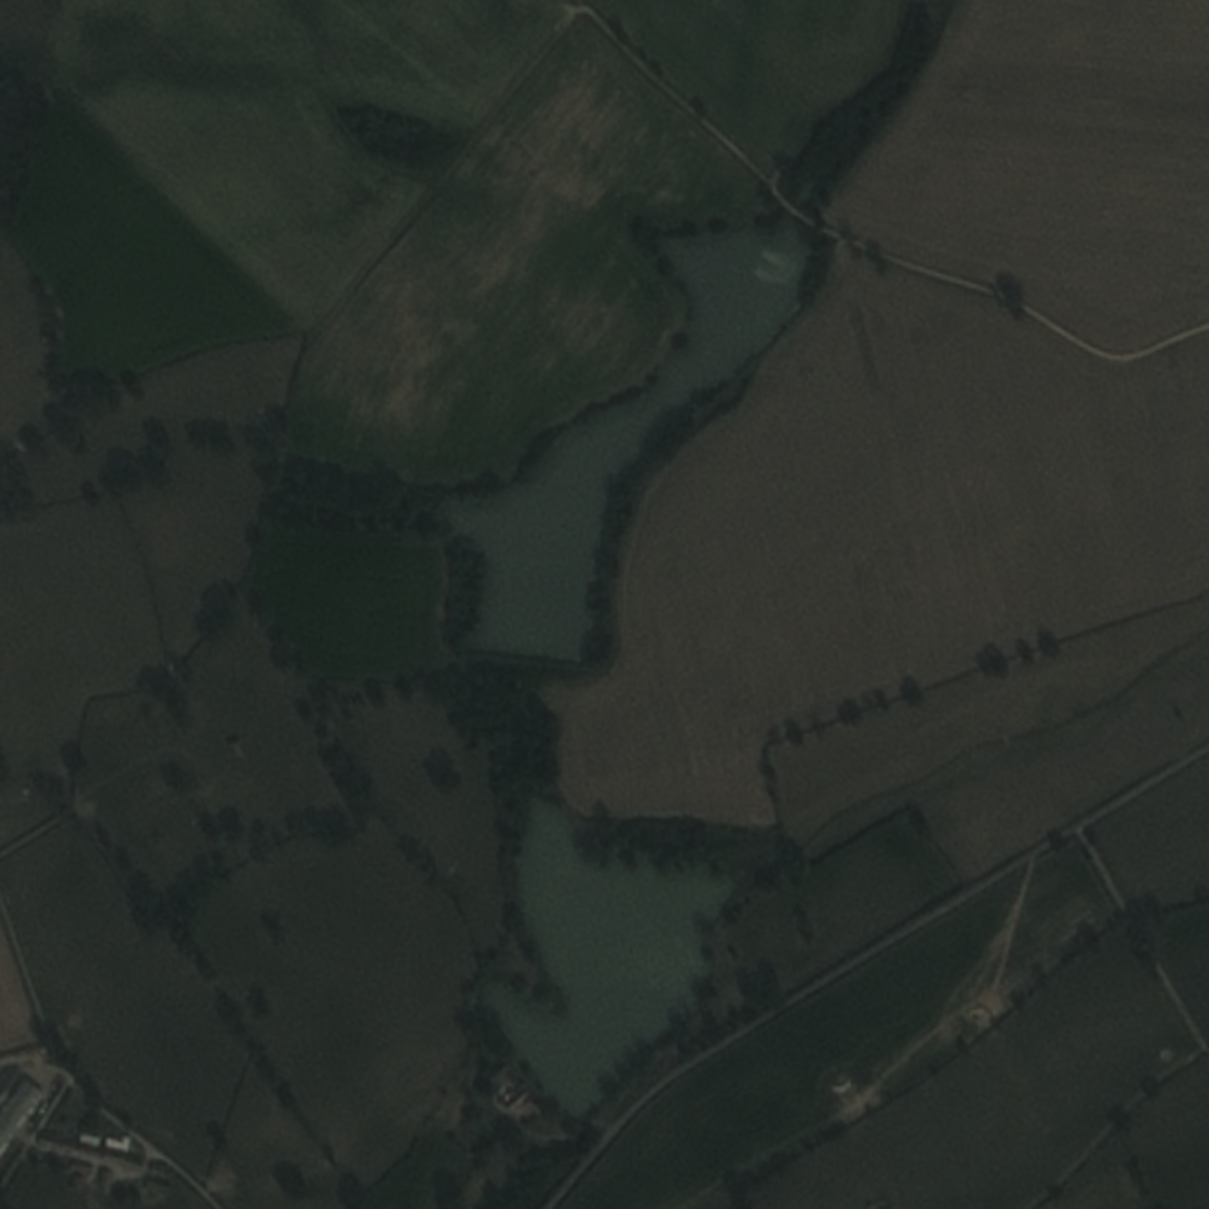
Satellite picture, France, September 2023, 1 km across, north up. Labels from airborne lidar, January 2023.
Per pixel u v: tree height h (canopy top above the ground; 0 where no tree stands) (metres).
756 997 17
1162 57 0
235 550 0
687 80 0
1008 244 0
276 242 0
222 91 0
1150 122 0
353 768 19
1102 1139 0
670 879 0
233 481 0
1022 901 0
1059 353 0
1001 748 0
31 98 18
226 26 0
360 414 0
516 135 0
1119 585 0
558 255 0
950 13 0
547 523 0
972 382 0
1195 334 0
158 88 0
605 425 0
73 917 0
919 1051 0
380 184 0
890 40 0
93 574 0
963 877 0
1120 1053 0
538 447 9
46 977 0
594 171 0
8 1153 0
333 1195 0
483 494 9
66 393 18
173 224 0
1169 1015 0
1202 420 0
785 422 0
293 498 8
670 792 0
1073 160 0
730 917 11
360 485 14
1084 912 0
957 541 0
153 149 0
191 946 15
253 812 0
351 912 0
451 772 23
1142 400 0
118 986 0
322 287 0
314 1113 0
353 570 0
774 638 0
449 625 8
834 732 0
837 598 0
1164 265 0
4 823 0
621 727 0
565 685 0
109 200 0
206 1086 0
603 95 0
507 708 6
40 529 0
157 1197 0
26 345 0
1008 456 0
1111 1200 0
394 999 0
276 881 0
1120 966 0
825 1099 0
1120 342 0
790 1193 0
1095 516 0
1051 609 0
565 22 0
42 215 0
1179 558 0
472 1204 0
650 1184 0
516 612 0
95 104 0
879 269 12
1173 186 0
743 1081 0
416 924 0
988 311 0
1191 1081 0
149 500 0
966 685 0
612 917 0
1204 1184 0
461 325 0
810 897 0
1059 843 13
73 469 0
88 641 0
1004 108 0
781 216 6
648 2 0
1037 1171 0
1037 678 0
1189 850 0
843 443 0
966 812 0
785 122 0
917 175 0
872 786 0
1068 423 0
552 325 0
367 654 0
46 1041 15
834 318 0
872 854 0
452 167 0
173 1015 0
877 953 0
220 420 0
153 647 0
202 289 0
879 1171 0
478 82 0
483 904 0
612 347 0
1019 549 0
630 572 0
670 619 0
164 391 0
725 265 0
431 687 17
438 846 0
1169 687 0
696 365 0
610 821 16
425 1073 0
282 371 0
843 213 0
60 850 0
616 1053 0
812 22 0
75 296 0
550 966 0
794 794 0
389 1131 0
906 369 0
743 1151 0
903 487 0
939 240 0
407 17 0
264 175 0
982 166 0
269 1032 0
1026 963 0
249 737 0
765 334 0
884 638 0
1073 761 0
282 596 0
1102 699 0
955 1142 0
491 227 0
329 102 0
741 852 0
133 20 0
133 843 0
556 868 0
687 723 0
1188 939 0
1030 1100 0
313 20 0
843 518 0
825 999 0
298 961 0
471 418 0
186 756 0
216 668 0
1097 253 0
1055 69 0
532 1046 0
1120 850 0
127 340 0
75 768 16
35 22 0
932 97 0
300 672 13
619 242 0
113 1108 0
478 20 0
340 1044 0
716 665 0
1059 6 0
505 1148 15
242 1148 0
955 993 0
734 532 0
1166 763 0
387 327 0
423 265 0
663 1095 0
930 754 0
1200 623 0
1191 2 0
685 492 0
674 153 0
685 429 13
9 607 0
